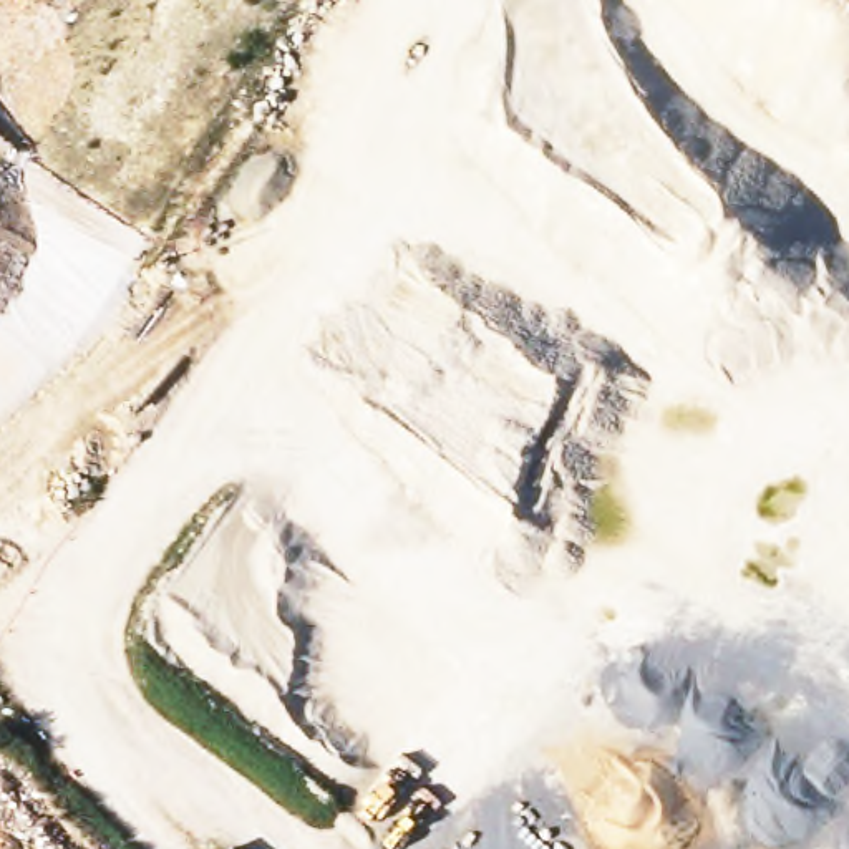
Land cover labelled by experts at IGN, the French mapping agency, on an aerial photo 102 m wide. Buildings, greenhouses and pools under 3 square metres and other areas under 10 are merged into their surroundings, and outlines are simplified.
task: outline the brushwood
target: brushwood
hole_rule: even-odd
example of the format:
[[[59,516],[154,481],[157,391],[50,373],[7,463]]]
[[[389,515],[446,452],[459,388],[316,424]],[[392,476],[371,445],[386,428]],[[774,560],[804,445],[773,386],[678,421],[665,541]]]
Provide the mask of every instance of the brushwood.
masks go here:
[[[36,776],[40,789],[46,789],[56,799],[56,806],[63,806],[66,816],[99,842],[99,849],[149,849],[99,799],[99,793],[73,779],[63,763],[56,763],[50,730],[40,723],[36,713],[23,710],[20,716],[0,716],[0,750],[23,763]]]

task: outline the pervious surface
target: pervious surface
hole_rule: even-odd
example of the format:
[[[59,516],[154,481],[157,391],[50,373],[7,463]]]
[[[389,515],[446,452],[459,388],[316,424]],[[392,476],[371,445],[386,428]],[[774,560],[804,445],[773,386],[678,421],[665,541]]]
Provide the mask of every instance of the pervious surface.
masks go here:
[[[56,806],[56,799],[46,789],[40,789],[36,776],[23,763],[0,750],[0,849],[99,849],[99,842],[66,816],[63,806]]]
[[[242,36],[249,30],[262,30],[275,43],[272,63],[232,70],[229,53],[242,46]],[[262,750],[285,759],[302,779],[325,789],[342,809],[335,826],[305,826],[298,816],[269,799],[255,783],[239,776],[189,733],[166,723],[146,703],[126,663],[126,650],[136,647],[143,637],[159,657],[189,667],[199,680],[229,696],[242,710],[242,716],[252,720]],[[20,716],[23,710],[36,713],[40,723],[50,730],[56,763],[63,763],[73,779],[99,793],[99,799],[149,849],[849,849],[849,0],[0,0],[0,716]]]

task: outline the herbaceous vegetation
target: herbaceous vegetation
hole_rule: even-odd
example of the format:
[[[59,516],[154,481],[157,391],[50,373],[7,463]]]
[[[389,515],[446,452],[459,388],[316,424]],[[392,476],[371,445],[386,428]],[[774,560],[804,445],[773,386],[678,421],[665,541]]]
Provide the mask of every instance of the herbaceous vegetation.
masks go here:
[[[335,826],[342,809],[325,789],[302,779],[285,759],[262,750],[252,720],[242,716],[242,710],[229,696],[199,680],[189,667],[159,657],[143,637],[136,647],[126,650],[126,663],[146,703],[166,723],[189,733],[239,776],[255,783],[269,799],[298,816],[305,826]]]
[[[242,46],[229,53],[232,70],[272,63],[275,43],[262,30],[249,30],[242,36]]]

